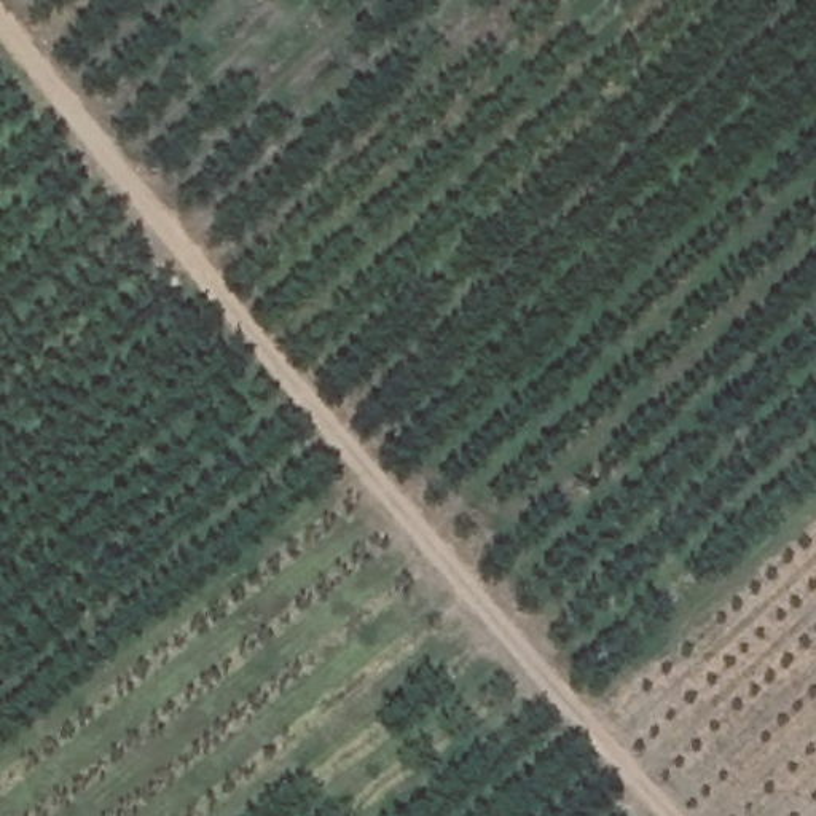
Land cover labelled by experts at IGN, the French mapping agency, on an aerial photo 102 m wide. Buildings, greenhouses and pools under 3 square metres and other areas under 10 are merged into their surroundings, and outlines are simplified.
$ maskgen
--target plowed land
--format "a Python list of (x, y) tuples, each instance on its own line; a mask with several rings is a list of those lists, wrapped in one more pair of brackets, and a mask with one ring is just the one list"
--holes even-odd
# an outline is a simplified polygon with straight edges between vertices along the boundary
[(622, 746), (634, 749), (641, 768), (657, 784), (663, 784), (666, 794), (682, 806), (676, 816), (816, 816), (816, 513), (806, 526), (810, 545), (794, 551), (794, 561), (787, 561), (771, 583), (762, 583), (759, 593), (743, 590), (740, 609), (727, 606), (727, 622), (720, 628), (724, 644), (711, 660), (685, 657), (669, 673), (663, 673), (650, 660), (634, 673), (622, 676), (609, 692), (590, 695), (590, 704), (599, 711), (599, 717), (612, 724), (612, 736)]

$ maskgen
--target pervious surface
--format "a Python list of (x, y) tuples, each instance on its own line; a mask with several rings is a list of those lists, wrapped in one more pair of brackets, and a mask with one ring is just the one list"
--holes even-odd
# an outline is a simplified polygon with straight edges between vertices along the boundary
[(379, 465), (379, 459), (363, 446), (363, 440), (335, 414), (335, 408), (322, 402), (322, 395), (316, 392), (316, 379), (300, 373), (287, 360), (274, 338), (255, 322), (252, 309), (226, 287), (223, 271), (207, 258), (204, 242), (214, 226), (214, 210), (194, 207), (179, 214), (179, 175), (128, 163), (115, 134), (86, 112), (83, 92), (64, 80), (61, 67), (51, 57), (54, 41), (73, 26), (77, 16), (67, 6), (61, 6), (41, 22), (19, 22), (0, 3), (0, 45), (26, 70), (32, 89), (45, 96), (45, 102), (67, 121), (70, 140), (77, 150), (83, 150), (86, 169), (92, 169), (115, 194), (128, 198), (128, 214), (140, 220), (147, 230), (153, 265), (175, 261), (182, 271), (188, 271), (198, 290), (220, 303), (226, 328), (242, 332), (242, 338), (255, 347), (258, 363), (281, 383), (293, 405), (300, 405), (312, 418), (319, 437), (338, 449), (344, 469), (360, 481), (370, 500), (376, 500), (392, 516), (395, 532), (389, 539), (395, 551), (405, 555), (414, 583), (430, 599), (430, 609), (446, 618), (459, 618), (469, 638), (465, 647), (478, 660), (500, 663), (513, 676), (516, 692), (523, 698), (545, 695), (571, 727), (587, 730), (602, 765), (615, 768), (625, 784), (622, 810), (628, 816), (676, 816), (682, 806), (666, 794), (663, 784), (657, 784), (641, 768), (634, 749), (622, 746), (612, 736), (612, 724), (599, 717), (599, 711), (590, 704), (590, 695), (574, 692), (567, 676), (555, 666), (555, 644), (548, 638), (551, 625), (539, 612), (523, 612), (516, 606), (513, 587), (507, 580), (481, 580), (478, 564), (494, 532), (475, 529), (472, 536), (459, 539), (453, 523), (462, 513), (465, 500), (459, 494), (449, 494), (443, 504), (424, 504), (427, 481), (418, 472), (405, 481), (395, 481)]

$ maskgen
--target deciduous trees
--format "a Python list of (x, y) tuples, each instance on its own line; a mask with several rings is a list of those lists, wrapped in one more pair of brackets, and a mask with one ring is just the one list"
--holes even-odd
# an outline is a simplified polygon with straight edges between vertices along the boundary
[(0, 0), (0, 3), (19, 22), (41, 22), (61, 6), (67, 6), (77, 16), (73, 26), (54, 41), (51, 57), (61, 67), (64, 80), (83, 92), (86, 112), (115, 134), (128, 163), (179, 175), (179, 214), (194, 207), (214, 210), (214, 226), (204, 242), (207, 258), (223, 271), (226, 287), (252, 309), (255, 322), (274, 338), (287, 360), (300, 373), (316, 379), (316, 392), (322, 395), (322, 402), (335, 408), (335, 414), (363, 440), (363, 446), (379, 459), (379, 465), (395, 481), (405, 481), (418, 472), (427, 481), (424, 504), (443, 504), (449, 494), (459, 494), (465, 500), (462, 513), (453, 523), (459, 539), (472, 536), (475, 529), (494, 532), (478, 564), (481, 580), (507, 580), (513, 587), (516, 606), (523, 612), (539, 612), (551, 625), (548, 638), (555, 644), (555, 666), (567, 676), (574, 692), (590, 695), (609, 692), (622, 676), (634, 673), (650, 660), (663, 673), (669, 673), (685, 657), (711, 660), (724, 644), (720, 628), (727, 622), (727, 606), (740, 609), (743, 590), (759, 593), (762, 583), (771, 583), (787, 561), (794, 561), (794, 551), (810, 545), (806, 526), (816, 513), (816, 0)]
[(188, 271), (182, 271), (175, 261), (153, 265), (147, 230), (140, 220), (128, 214), (128, 198), (115, 194), (92, 169), (86, 169), (83, 150), (77, 150), (70, 140), (67, 121), (45, 102), (45, 96), (32, 89), (26, 70), (0, 45), (0, 816), (628, 816), (622, 810), (625, 784), (615, 768), (602, 765), (587, 730), (571, 727), (545, 695), (523, 698), (516, 692), (513, 676), (500, 663), (478, 660), (465, 647), (469, 638), (459, 618), (446, 618), (430, 609), (430, 599), (414, 583), (405, 555), (395, 551), (389, 539), (395, 532), (392, 516), (376, 500), (370, 500), (360, 481), (344, 469), (338, 449), (319, 437), (312, 418), (300, 405), (293, 405), (281, 383), (258, 363), (255, 347), (242, 338), (242, 332), (226, 328), (220, 303), (198, 290)]

